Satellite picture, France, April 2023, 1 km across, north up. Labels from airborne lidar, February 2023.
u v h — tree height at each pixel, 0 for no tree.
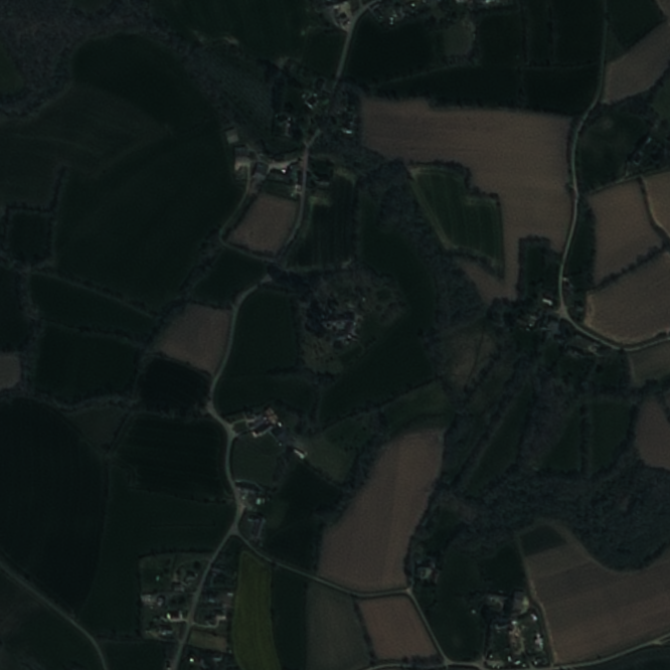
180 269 0
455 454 10
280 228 0
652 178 0
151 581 0
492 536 14
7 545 0
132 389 14
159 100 0
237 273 0
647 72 0
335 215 0
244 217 8
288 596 0
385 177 7
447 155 0
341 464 0
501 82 0
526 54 9
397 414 0
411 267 0
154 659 0
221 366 0
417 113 0
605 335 0
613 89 0
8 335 0
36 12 16
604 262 0
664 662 0
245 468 0
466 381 0
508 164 0
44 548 0
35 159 0
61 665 0
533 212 0
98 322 0
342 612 0
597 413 0
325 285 13
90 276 0
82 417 0
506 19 0
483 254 0
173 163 0
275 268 10
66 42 18
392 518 0
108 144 0
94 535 0
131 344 11
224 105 7
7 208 7
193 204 0
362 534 0
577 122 7
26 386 11
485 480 0
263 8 0
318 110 0
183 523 0
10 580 0
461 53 0
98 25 12
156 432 0
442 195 0
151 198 0
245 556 0
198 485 0
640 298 0
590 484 14
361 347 0
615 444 0
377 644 0
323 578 0
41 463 0
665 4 0
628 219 0
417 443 0
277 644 0
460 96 0
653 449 0
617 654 0
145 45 0
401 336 0
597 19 0
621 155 0
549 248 6
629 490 6
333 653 0
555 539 0
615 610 0
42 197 0
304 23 0
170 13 0
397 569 0
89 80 0
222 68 5
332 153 16
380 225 12
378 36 0
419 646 0
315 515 6
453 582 0
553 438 25
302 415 12
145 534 0
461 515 9
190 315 0
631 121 0
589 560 0
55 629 0
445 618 0
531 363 14
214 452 0
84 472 0
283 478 17
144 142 0
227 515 0
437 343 23
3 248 11
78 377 0
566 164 0
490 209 0
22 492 0
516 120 0
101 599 0
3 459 0
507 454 0
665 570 0
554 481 16
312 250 0
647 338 0
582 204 8
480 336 0
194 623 0
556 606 0
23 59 11
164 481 0
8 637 0
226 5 0
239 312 0
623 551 8
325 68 0
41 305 0
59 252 0
